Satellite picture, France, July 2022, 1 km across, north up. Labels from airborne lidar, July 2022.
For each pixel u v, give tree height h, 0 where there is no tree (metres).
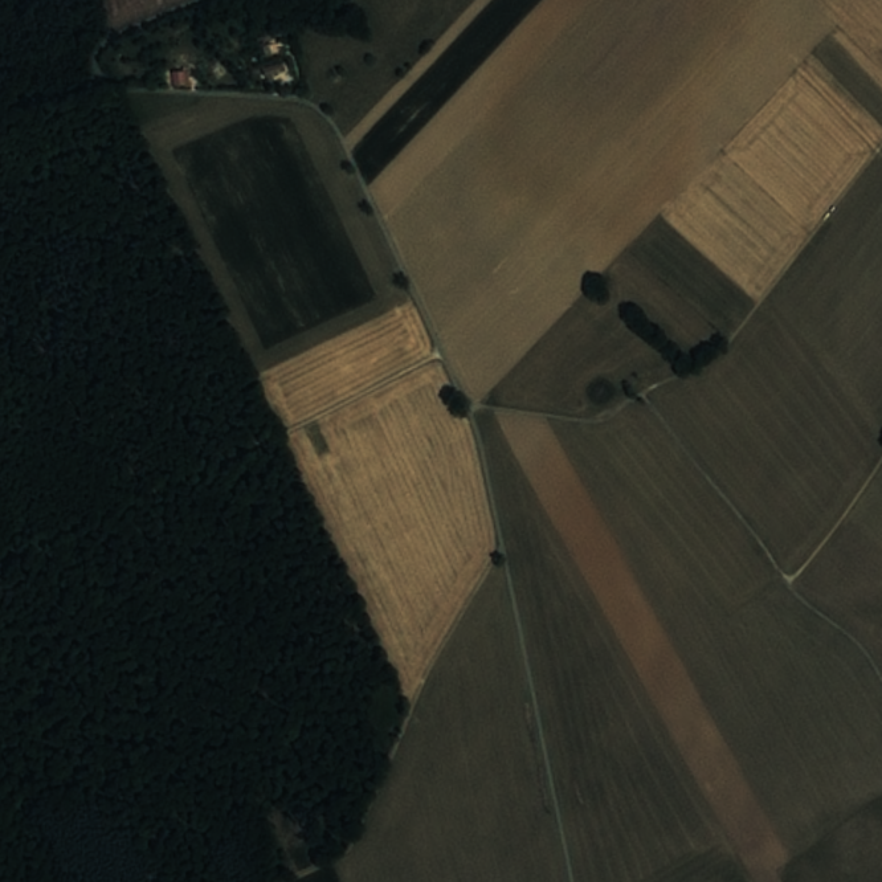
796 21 0
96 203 27
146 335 29
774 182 0
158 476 26
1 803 29
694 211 0
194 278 23
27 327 26
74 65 11
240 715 29
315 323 0
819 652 0
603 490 0
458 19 0
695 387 0
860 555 0
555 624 0
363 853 0
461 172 0
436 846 0
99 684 29
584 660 0
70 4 19
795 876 0
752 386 0
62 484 26
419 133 0
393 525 0
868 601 0
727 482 0
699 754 0
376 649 15
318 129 0
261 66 8
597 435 0
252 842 22
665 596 0
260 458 33
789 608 0
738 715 0
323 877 0
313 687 29
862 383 0
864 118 0
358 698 30
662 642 0
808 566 0
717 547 0
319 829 29
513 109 0
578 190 0
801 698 0
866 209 0
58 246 32
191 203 0
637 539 0
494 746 0
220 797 28
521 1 0
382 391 0
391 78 0
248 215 0
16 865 30
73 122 31
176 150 0
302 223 0
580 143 0
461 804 0
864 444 0
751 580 0
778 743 0
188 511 31
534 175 0
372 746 24
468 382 0
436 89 0
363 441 0
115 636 31
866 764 0
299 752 30
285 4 25
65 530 20
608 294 18
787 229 0
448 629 0
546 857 0
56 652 32
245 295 0
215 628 33
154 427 29
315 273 0
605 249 0
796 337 0
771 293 0
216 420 30
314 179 0
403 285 19
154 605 30
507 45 0
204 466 26
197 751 31
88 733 31
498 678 0
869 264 0
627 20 0
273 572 30
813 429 0
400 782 0
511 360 0
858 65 0
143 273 28
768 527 0
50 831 30
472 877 0
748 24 0
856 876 0
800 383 0
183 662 31
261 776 28
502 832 0
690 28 0
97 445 25
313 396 0
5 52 23
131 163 28
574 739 0
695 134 0
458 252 0
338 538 0
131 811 29
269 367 0
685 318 0
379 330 0
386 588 0
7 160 28
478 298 0
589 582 0
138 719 30
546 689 0
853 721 0
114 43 19
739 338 0
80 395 26
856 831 0
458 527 0
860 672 0
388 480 0
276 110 0
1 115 31
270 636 32
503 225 0
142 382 27
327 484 0
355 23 27
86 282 27
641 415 0
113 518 33
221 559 33
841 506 0
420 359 0
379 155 0
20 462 23
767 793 0
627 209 0
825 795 0
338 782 26
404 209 0
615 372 0
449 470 0
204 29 16
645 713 0
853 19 0
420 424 0
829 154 0
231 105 0
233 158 0
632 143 0
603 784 0
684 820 0
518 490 0
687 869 0
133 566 32
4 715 27
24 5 7
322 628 31
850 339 0
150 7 0
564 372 0
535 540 0
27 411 27
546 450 0
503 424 0
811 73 0
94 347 31
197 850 30
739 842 0
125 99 20
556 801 0
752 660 0
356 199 0
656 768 0
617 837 0
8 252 27
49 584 30
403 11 0
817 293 0
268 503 29
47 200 30
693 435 0
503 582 0
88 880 25
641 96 0
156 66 11
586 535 0
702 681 0
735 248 0
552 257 0
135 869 29
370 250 0
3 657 31
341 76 12
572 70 0
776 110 0
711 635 0
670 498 0
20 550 21
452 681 0
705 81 0
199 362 26
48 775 21
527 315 0
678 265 0
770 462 0
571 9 0
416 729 0
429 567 0
